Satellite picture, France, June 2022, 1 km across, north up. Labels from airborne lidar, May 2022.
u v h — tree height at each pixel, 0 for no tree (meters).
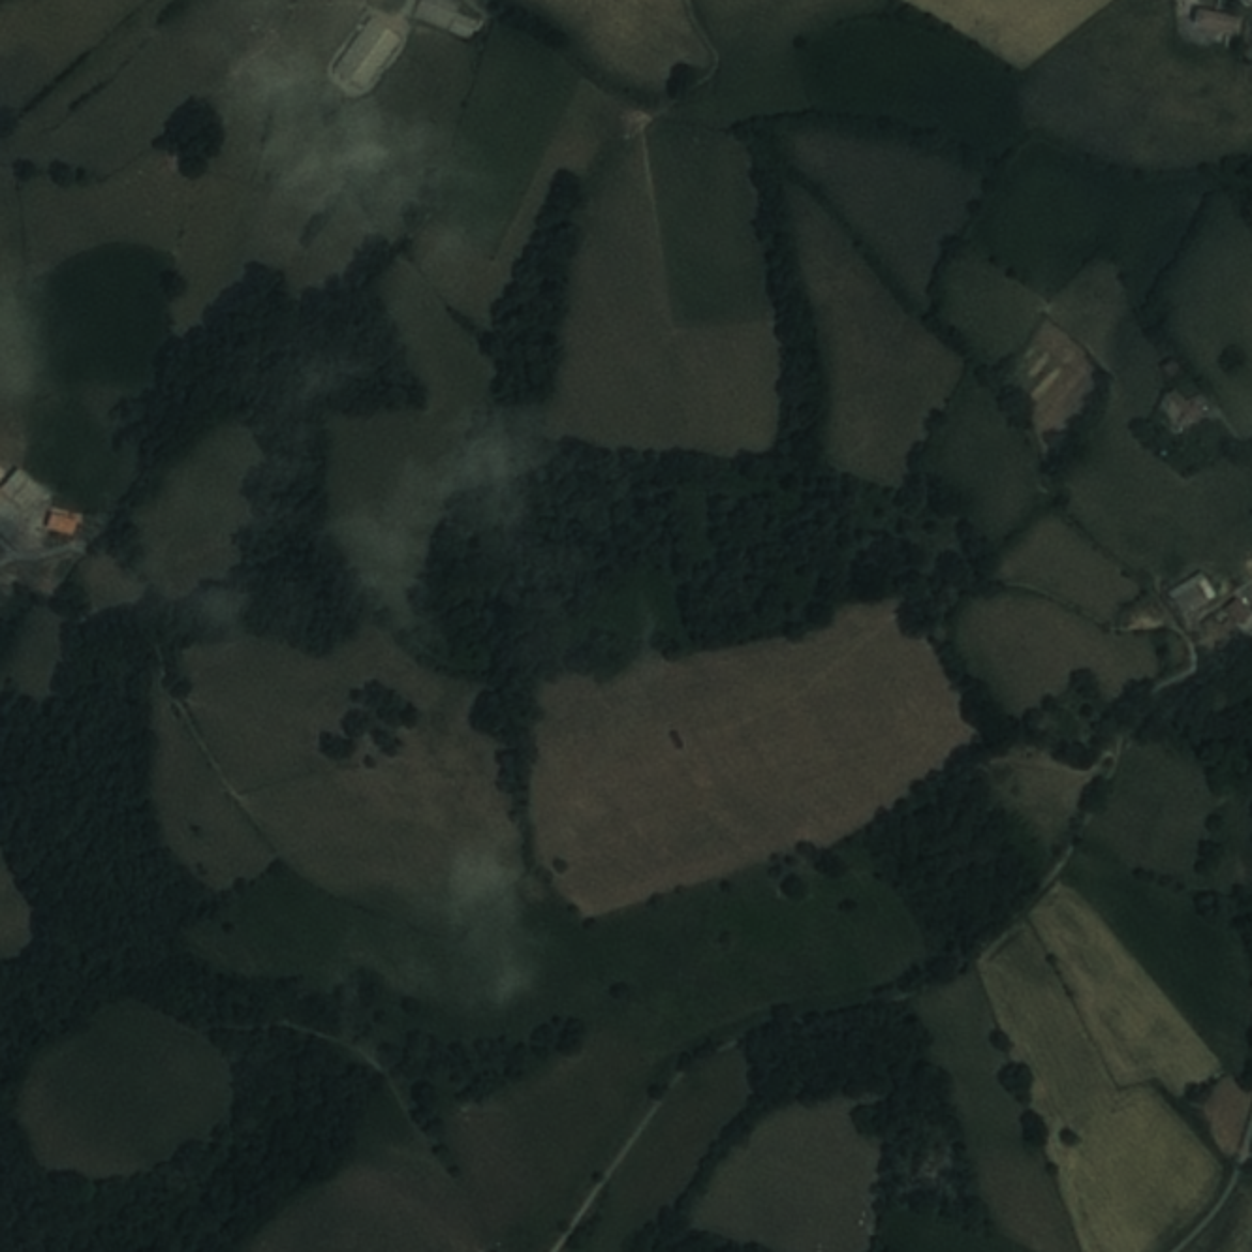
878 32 0
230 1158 10
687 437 0
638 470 18
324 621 14
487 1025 0
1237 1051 0
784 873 13
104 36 0
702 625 15
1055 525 0
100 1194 19
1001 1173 0
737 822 0
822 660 0
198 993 19
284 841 0
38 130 0
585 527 16
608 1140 0
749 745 0
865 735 0
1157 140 0
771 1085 26
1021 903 20
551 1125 0
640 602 0
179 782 0
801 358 23
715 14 0
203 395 22
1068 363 0
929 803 8
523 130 0
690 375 0
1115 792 10
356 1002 16
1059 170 0
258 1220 14
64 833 9
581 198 22
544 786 0
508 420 19
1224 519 0
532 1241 0
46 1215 19
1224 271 0
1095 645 0
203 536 0
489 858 0
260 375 24
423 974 0
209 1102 0
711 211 0
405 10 0
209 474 0
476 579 27
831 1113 0
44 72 0
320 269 0
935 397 0
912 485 15
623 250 0
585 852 0
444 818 0
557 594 22
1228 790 11
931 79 0
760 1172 0
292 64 0
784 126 9
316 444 18
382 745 10
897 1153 18
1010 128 0
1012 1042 10
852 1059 20
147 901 11
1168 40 0
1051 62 0
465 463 16
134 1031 0
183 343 23
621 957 0
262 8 0
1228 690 23
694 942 0
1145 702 25
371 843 0
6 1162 21
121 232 0
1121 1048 0
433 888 0
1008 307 0
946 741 0
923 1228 0
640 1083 0
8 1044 24
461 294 0
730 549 8
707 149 0
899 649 0
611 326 0
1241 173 7
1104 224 0
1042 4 0
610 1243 0
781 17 0
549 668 21
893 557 21
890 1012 19
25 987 25
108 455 0
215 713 0
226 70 0
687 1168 0
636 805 0
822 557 20
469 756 0
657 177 0
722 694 0
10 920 0
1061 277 0
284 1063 22
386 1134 0
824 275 0
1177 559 0
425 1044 19
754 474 24
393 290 0
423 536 0
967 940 14
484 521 25
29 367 0
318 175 0
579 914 10
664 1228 11
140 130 0
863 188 0
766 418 0
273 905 0
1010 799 0
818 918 0
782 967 0
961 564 23
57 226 0
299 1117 28
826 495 15
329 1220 0
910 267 0
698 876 0
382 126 0
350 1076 18
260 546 20
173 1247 20
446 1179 0
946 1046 0
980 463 0
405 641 13
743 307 0
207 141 26
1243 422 0
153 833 15
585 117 0
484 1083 14
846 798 0
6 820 25
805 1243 0
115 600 0
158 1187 13
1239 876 0
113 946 20
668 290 0
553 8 0
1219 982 0
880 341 0
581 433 0
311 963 0
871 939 0
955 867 19
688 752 0
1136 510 0
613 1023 0
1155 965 0
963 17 0
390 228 0
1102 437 0
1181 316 0
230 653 0
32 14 0
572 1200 0
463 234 0
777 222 19
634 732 0
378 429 0
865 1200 0
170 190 0
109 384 0
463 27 0
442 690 0
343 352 23
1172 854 0
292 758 0
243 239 0
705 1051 14
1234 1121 0
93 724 19
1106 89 0
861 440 0
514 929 0
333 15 0
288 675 0
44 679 0
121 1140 0
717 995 0
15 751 18
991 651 0
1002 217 0
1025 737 20
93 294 0
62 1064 0
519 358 18
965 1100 0
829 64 0
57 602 13
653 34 0
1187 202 0
